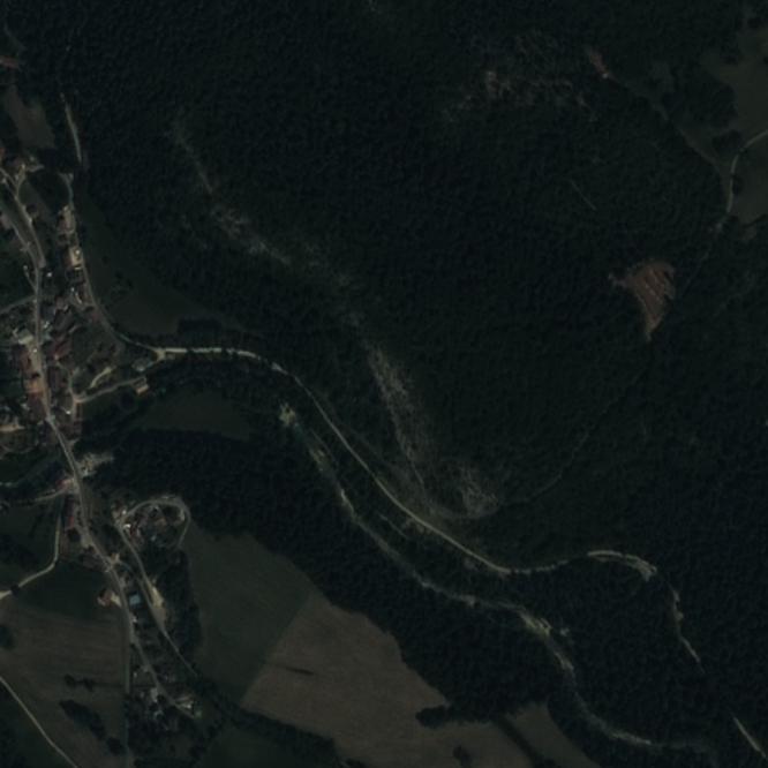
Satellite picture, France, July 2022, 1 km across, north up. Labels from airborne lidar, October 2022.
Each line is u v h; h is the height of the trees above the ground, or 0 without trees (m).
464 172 26
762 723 23
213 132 16
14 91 0
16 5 23
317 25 17
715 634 12
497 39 12
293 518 28
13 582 0
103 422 24
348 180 23
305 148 20
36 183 24
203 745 17
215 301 9
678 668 32
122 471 12
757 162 0
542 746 0
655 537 12
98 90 30
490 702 29
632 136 10
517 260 17
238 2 17
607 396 9
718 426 13
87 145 19
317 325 17
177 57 22
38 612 0
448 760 0
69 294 0
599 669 29
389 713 0
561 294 21
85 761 0
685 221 14
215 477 30
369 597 22
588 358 15
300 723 0
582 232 14
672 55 19
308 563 25
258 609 0
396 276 14
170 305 0
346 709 0
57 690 0
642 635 21
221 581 0
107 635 0
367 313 10
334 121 28
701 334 6
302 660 0
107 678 0
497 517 7
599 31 14
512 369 10
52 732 0
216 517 23
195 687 14
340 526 29
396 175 18
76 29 21
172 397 7
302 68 8
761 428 7
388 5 7
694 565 25
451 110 6
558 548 19
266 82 16
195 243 7
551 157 18
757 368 13
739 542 22
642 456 13
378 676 0
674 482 19
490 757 0
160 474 8
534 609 23
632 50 14
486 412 14
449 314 18
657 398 9
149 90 19
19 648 0
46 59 7
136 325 0
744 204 0
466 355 11
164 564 7
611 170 11
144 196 16
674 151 15
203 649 0
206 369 12
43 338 0
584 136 11
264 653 0
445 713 18
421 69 21
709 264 13
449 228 22
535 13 14
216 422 0
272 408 18
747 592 28
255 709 0
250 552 0
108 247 0
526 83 10
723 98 16
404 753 0
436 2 15
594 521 15
